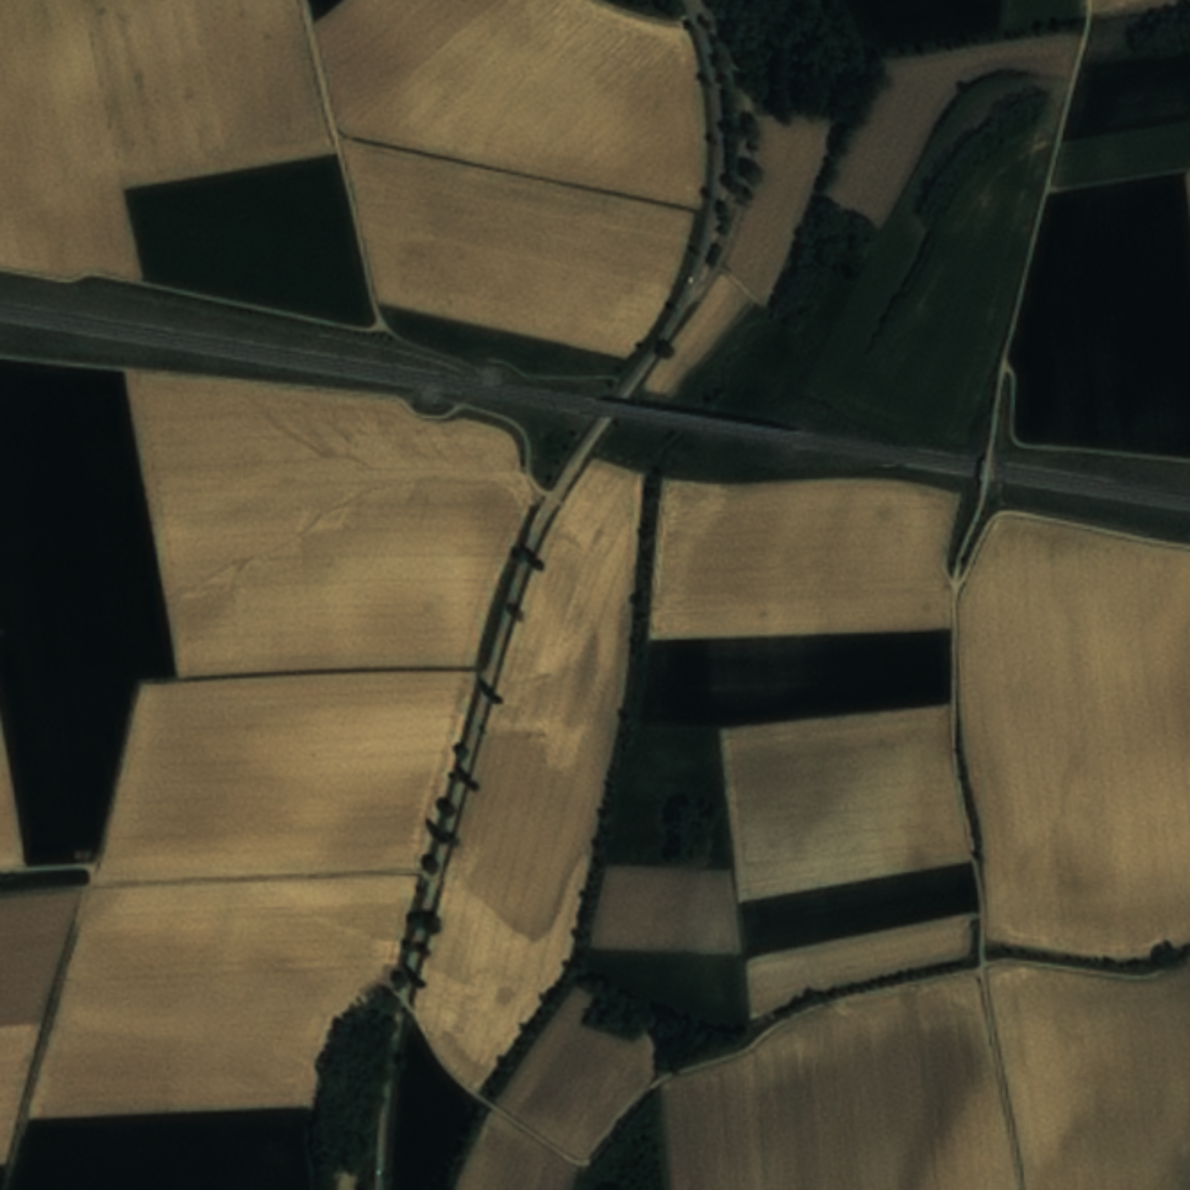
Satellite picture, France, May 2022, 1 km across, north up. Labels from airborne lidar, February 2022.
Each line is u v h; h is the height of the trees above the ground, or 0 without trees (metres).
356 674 0
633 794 0
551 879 0
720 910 0
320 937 0
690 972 0
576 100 0
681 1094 0
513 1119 0
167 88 0
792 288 17
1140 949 0
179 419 0
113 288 0
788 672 0
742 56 15
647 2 0
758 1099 0
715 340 0
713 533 0
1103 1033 0
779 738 0
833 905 0
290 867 0
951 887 0
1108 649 0
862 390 0
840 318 0
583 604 0
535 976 0
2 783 0
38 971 0
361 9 0
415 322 0
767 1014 0
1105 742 0
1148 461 0
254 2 0
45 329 0
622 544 0
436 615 0
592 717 0
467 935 0
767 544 0
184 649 0
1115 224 0
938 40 0
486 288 0
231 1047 0
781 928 0
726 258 0
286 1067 0
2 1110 0
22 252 0
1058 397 0
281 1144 0
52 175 0
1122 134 0
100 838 0
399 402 0
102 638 0
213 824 0
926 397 0
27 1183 0
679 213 0
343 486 0
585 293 0
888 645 0
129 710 0
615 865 0
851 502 0
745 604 0
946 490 0
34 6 0
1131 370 0
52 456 0
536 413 0
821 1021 0
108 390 0
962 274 0
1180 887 0
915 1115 0
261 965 0
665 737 0
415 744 0
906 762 0
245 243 0
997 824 0
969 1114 0
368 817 0
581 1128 0
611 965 0
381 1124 0
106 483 0
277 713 0
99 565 0
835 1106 0
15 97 0
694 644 0
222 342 0
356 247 0
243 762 0
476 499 0
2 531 0
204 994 0
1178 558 0
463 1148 11
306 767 0
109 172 0
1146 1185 0
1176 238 0
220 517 0
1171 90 0
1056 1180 0
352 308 0
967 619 0
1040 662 0
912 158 0
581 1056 0
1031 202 0
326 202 0
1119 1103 0
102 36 0
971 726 0
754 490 0
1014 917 0
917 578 0
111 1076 0
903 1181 0
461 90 0
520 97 0
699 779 0
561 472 0
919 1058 0
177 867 0
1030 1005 0
